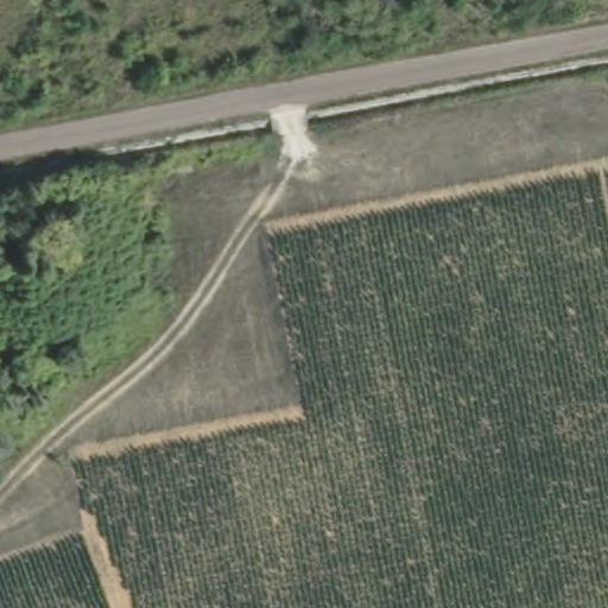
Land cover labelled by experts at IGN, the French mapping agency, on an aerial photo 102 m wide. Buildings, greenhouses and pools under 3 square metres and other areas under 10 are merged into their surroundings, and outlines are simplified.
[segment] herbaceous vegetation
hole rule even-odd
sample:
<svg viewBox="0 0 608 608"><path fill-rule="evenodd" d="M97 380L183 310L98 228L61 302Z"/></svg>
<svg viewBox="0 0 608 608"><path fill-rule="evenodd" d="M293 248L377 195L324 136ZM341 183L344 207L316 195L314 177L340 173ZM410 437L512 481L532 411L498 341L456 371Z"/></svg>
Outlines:
<svg viewBox="0 0 608 608"><path fill-rule="evenodd" d="M93 78L97 81L97 90L93 95L81 95L71 105L71 112L62 119L64 124L150 107L150 95L135 90L124 74L133 67L133 62L173 48L178 50L176 64L183 71L188 71L190 67L204 59L214 59L223 50L230 52L257 45L268 31L268 19L264 14L261 0L86 0L81 12L86 17L93 17L100 24L100 31L88 43L83 43L83 50L74 50L71 59L90 57L90 69ZM124 45L124 55L119 59L109 57L107 48L119 36L119 31L138 24L143 17L147 19L147 36L131 36Z"/></svg>
<svg viewBox="0 0 608 608"><path fill-rule="evenodd" d="M19 40L24 24L33 14L38 14L43 0L0 0L0 50Z"/></svg>
<svg viewBox="0 0 608 608"><path fill-rule="evenodd" d="M173 223L176 257L166 271L173 276L176 295L185 295L188 299L209 271L228 235L233 233L238 219L249 209L249 204L264 188L276 190L276 185L280 183L283 171L278 171L278 159L264 154L261 159L245 166L235 166L233 162L219 162L207 171L176 173L169 178L169 183L164 183L157 190L152 207L159 209L162 216L171 216Z"/></svg>
<svg viewBox="0 0 608 608"><path fill-rule="evenodd" d="M86 442L107 442L116 437L133 437L183 425L209 423L219 418L299 406L295 363L304 359L304 352L297 347L287 328L287 309L283 306L285 290L280 287L276 268L280 252L271 245L271 238L276 233L266 230L271 221L608 157L608 48L563 55L544 62L489 69L480 74L397 86L363 95L321 100L309 105L306 109L309 138L316 143L314 159L318 169L318 181L290 178L285 197L273 207L273 211L261 216L261 226L242 249L223 287L204 309L195 328L133 390L119 397L107 411L102 411L95 420L81 428L59 449L48 451L38 473L31 475L0 506L0 513L10 515L17 508L26 508L31 515L0 532L0 563L29 551L50 549L62 539L83 534L83 508L78 506L81 477L74 470L74 463L78 461L74 456L76 447Z"/></svg>
<svg viewBox="0 0 608 608"><path fill-rule="evenodd" d="M200 121L116 140L102 140L95 147L97 152L102 152L138 152L162 147L169 143L185 143L226 135L235 131L257 131L264 126L273 126L271 114L249 112L223 116L216 121Z"/></svg>

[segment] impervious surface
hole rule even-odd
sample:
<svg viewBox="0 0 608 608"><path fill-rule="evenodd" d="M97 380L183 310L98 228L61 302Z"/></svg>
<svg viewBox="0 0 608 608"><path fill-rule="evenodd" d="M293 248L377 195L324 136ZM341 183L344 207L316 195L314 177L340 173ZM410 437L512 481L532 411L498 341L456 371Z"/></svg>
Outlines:
<svg viewBox="0 0 608 608"><path fill-rule="evenodd" d="M513 38L508 43L463 48L442 55L387 59L359 69L314 74L295 81L235 88L197 100L181 100L150 107L64 124L0 133L0 197L12 190L19 190L21 197L29 197L33 190L40 188L45 178L57 181L62 173L69 173L74 169L81 171L97 166L97 157L102 152L97 152L95 147L102 140L116 140L200 121L216 121L223 116L249 112L271 114L276 107L283 105L297 105L306 109L309 105L321 100L363 95L397 86L480 74L489 69L544 62L563 55L608 48L608 24Z"/></svg>

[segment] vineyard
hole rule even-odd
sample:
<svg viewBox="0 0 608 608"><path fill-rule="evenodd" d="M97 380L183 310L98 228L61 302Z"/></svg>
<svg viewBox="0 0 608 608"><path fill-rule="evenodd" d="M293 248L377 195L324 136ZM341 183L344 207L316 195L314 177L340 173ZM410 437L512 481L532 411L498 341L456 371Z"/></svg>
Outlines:
<svg viewBox="0 0 608 608"><path fill-rule="evenodd" d="M86 442L76 447L74 456L78 461L74 463L74 470L81 477L78 506L83 508L83 534L62 539L50 549L29 551L0 563L0 608L608 608L608 157L271 221L266 230L276 233L271 238L271 245L280 252L276 268L280 287L285 290L283 306L287 309L287 328L297 347L304 352L304 359L295 363L299 406L219 418L209 423L183 425L133 437L116 437L107 442Z"/></svg>

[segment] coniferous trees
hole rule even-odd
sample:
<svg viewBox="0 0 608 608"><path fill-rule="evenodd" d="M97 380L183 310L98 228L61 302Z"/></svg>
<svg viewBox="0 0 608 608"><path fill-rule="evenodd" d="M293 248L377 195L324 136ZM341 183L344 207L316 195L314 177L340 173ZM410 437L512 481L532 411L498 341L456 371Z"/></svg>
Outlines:
<svg viewBox="0 0 608 608"><path fill-rule="evenodd" d="M185 143L169 143L162 147L138 152L102 152L97 157L97 166L81 171L74 169L69 173L62 173L57 181L45 178L40 188L33 190L29 197L21 197L19 190L12 190L0 197L0 480L31 449L31 439L36 442L43 435L48 435L69 411L83 404L105 382L109 382L121 368L133 363L159 337L162 330L166 330L166 325L171 325L171 321L178 316L188 299L185 295L176 295L173 276L166 271L176 257L173 223L171 216L162 216L159 209L152 207L157 190L164 183L169 183L169 178L176 173L207 171L219 162L233 162L235 166L245 166L261 159L264 154L278 159L283 150L283 135L273 126L264 126L257 131L235 131L226 135Z"/></svg>

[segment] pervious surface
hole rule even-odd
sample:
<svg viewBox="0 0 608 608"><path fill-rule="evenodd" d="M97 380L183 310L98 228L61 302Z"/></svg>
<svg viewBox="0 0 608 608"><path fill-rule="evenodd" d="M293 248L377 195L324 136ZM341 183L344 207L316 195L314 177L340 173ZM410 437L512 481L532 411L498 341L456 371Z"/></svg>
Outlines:
<svg viewBox="0 0 608 608"><path fill-rule="evenodd" d="M17 508L10 515L0 513L0 532L31 515L26 508Z"/></svg>
<svg viewBox="0 0 608 608"><path fill-rule="evenodd" d="M178 316L171 321L171 325L166 325L166 330L162 330L159 337L133 363L121 368L109 382L105 382L83 404L69 411L48 435L43 435L36 442L31 439L31 449L0 480L0 506L31 475L38 473L48 451L59 449L81 428L95 420L102 411L107 411L119 397L133 390L195 328L204 309L223 287L242 249L261 226L261 216L273 211L273 207L285 197L290 178L318 181L318 169L314 159L316 143L309 138L306 109L297 105L283 105L276 107L271 114L273 126L283 135L283 150L278 159L278 171L283 171L280 183L276 185L276 190L264 188L249 204L249 209L238 219L233 233L228 235L209 271L188 299Z"/></svg>

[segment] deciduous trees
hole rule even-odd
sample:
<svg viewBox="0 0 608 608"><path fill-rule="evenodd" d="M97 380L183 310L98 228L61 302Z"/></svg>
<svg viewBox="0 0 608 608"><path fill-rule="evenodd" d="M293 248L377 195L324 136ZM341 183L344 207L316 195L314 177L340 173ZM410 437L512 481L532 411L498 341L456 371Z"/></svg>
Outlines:
<svg viewBox="0 0 608 608"><path fill-rule="evenodd" d="M124 74L135 90L150 95L150 107L181 100L197 100L235 88L295 81L314 74L359 69L387 59L442 55L463 48L508 43L513 38L608 24L608 0L261 0L264 14L268 19L268 31L257 45L230 52L223 50L214 59L204 59L190 67L188 71L183 71L176 64L178 50L173 48L133 62L133 67Z"/></svg>
<svg viewBox="0 0 608 608"><path fill-rule="evenodd" d="M119 59L124 55L124 45L131 36L147 36L147 19L143 17L138 24L119 31L119 36L107 48L109 57Z"/></svg>
<svg viewBox="0 0 608 608"><path fill-rule="evenodd" d="M33 14L24 24L19 40L0 50L0 133L64 124L62 119L71 112L71 105L81 95L93 95L97 90L97 81L93 78L90 69L90 57L71 59L74 50L83 50L83 43L88 43L100 31L100 24L93 17L86 17L81 12L86 0L43 0L38 14Z"/></svg>

